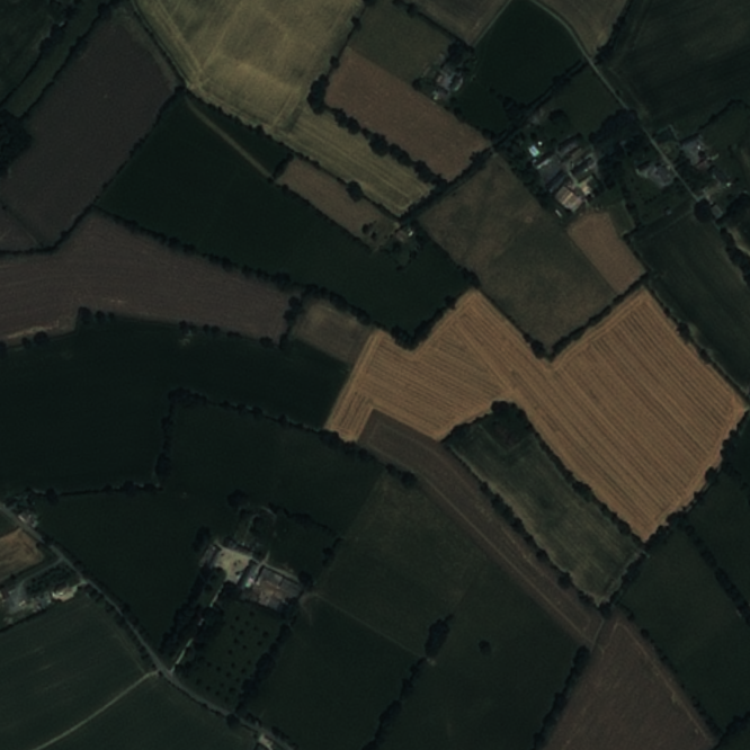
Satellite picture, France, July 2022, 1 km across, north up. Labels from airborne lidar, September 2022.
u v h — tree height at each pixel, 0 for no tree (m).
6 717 0
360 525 0
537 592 0
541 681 0
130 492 17
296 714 0
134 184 0
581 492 14
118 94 0
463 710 0
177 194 0
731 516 0
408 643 0
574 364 0
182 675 14
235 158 0
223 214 0
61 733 0
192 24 0
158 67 0
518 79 0
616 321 0
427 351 0
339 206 0
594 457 0
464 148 0
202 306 0
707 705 0
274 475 0
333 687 0
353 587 0
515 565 0
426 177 20
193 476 0
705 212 18
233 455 0
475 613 0
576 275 0
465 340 0
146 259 0
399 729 0
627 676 0
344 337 0
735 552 0
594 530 0
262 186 0
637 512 0
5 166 10
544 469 0
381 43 0
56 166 0
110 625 0
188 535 0
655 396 0
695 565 0
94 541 0
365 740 0
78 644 0
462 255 0
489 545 0
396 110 0
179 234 0
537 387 0
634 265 0
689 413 0
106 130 0
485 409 0
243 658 0
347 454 13
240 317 0
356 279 0
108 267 0
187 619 19
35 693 0
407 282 0
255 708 0
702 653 0
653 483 0
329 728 0
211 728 0
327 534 8
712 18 0
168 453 11
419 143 0
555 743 0
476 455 0
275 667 13
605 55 18
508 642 0
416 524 0
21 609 0
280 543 0
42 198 0
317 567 0
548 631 0
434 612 0
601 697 0
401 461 0
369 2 18
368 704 0
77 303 0
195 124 0
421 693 0
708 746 0
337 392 0
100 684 0
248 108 0
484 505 0
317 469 0
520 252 0
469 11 0
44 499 8
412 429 0
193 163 0
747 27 0
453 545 0
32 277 0
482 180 0
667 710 0
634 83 0
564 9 0
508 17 0
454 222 0
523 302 0
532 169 13
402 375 0
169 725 0
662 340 0
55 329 0
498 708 0
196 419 0
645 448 0
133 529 0
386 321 0
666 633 0
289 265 0
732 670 0
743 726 15
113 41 0
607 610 17
